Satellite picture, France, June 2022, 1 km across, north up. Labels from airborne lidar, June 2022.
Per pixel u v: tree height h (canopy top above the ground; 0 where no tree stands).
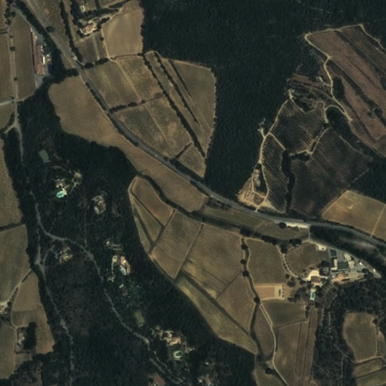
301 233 0
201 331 7
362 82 0
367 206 0
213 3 14
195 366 6
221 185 10
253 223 0
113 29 0
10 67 0
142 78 0
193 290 0
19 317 0
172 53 11
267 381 0
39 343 0
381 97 0
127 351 12
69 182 10
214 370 6
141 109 0
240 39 7
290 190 9
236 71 7
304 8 10
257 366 0
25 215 6
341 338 7
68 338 11
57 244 10
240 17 11
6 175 0
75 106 0
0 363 0
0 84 0
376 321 11
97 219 6
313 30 8
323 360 7
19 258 0
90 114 0
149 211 0
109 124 0
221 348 7
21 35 0
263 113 12
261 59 6
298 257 0
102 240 10
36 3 0
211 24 14
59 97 0
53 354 19
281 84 7
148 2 9
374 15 7
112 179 6
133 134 0
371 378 0
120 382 12
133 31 0
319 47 0
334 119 9
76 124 0
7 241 0
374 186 13
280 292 0
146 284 10
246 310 0
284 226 12
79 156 15
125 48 0
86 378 8
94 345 5
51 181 9
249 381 8
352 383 9
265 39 6
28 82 0
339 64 0
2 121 0
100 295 6
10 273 0
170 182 0
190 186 0
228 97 8
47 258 7
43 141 8
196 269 0
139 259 17
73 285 7
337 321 10
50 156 7
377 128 0
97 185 9
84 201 7
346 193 0
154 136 0
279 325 0
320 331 9
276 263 0
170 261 0
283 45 6
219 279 0
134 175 9
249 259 0
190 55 12
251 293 0
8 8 8
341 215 0
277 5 7
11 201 0
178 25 8
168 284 11
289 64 7
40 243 10
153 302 12
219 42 8
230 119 9
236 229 0
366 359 0
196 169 0
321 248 0
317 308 9
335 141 5
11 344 0
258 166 6
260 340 0
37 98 6
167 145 0
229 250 0
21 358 0
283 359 0
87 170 13
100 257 7
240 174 8
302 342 0
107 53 0
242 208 0
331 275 0
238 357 8
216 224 0
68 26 12
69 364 7
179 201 0
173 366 8
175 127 0
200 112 0
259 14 7
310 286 9
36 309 0
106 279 11
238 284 0
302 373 0
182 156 0
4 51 0
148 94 0
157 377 0
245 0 7
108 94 0
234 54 6
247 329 0
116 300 10
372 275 11
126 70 0
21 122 8
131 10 0
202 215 0
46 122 8
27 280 0
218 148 7
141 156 0
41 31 13
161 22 10
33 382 9
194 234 0
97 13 10
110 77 0
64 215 11
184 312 11
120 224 8
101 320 6
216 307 0
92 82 0
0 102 0
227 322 0
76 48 9
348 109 0
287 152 12
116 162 14
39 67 0
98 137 0
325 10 8
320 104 0
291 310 0
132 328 7
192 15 8
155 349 12
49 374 14
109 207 9
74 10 16
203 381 8
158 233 0
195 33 6
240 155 6
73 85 0
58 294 15
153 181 11
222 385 8
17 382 6
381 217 0
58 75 15
